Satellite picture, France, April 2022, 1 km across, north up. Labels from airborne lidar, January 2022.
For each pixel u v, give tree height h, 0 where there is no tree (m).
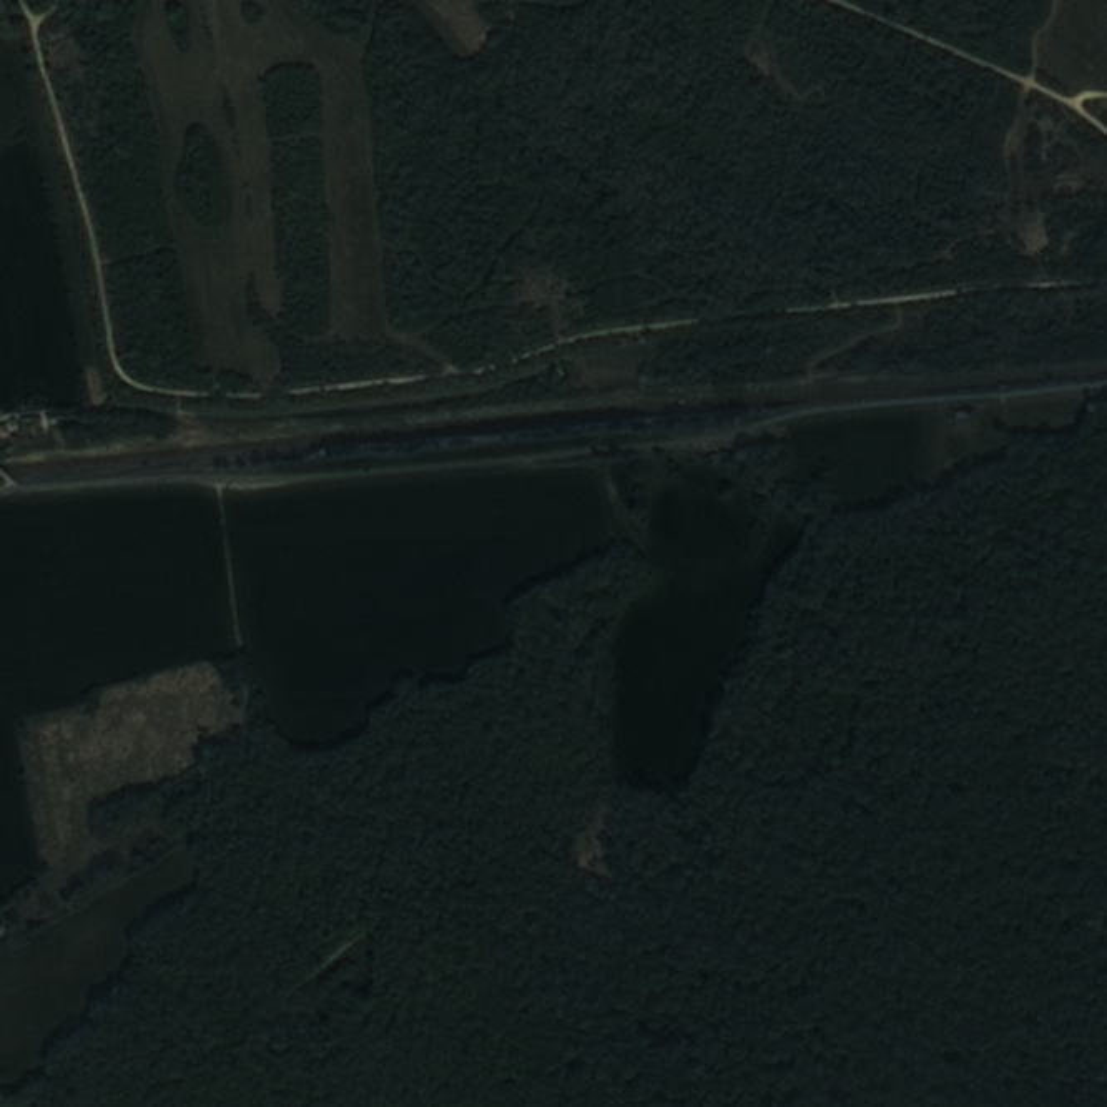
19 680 0
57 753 0
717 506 0
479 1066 19
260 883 16
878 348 13
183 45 6
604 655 20
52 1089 17
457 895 20
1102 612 16
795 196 6
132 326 6
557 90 13
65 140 0
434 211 6
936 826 18
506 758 13
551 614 17
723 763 16
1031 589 25
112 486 0
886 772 22
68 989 0
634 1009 19
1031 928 18
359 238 0
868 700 16
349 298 0
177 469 0
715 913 19
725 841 17
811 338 6
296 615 0
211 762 17
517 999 19
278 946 18
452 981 16
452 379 8
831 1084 22
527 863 18
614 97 15
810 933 20
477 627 0
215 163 9
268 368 0
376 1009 12
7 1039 0
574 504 0
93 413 8
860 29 17
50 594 0
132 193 6
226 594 0
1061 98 0
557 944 20
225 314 0
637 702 0
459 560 0
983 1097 20
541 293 0
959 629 19
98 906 0
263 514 0
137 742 0
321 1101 14
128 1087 20
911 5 16
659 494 0
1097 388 0
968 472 15
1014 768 17
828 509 14
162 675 0
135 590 0
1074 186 0
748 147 14
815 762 11
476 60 7
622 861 14
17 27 11
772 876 21
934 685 15
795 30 8
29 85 0
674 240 12
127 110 6
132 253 6
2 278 0
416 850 19
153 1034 22
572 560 0
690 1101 20
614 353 0
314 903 16
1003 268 8
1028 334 8
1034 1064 20
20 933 13
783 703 6
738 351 11
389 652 0
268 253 0
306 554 0
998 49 7
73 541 0
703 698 0
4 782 0
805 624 19
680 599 0
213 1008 21
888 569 22
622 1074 17
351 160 0
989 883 22
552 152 15
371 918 20
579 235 8
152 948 16
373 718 13
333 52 0
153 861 7
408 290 10
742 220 21
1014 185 0
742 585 0
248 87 0
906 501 18
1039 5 6
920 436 0
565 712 18
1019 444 18
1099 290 15
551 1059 16
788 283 17
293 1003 17
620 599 15
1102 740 23
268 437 0
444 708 14
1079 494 26
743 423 16
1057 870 23
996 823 17
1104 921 21
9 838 0
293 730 0
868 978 20
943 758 19
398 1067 17
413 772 18
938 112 9
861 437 0
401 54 12
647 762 0
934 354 8
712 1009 19
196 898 12
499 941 23
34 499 0
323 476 0
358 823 18
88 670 0
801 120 7
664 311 8
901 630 22
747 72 7
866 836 18
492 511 0
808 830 21
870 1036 21
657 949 20
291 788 16
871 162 11
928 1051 22
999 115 7
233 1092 19
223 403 11
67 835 0
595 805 10
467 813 12
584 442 0
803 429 0
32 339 0
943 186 10
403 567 0
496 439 0
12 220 0
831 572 19
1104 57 0
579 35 11
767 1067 20
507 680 14
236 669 8
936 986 15
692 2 10
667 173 21
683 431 16
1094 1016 23
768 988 19
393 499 0
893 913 19
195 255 0
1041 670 14
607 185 6
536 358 7
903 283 9
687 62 16
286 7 0
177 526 0
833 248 17
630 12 12
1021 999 24
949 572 23
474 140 7
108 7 12
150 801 16
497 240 5
